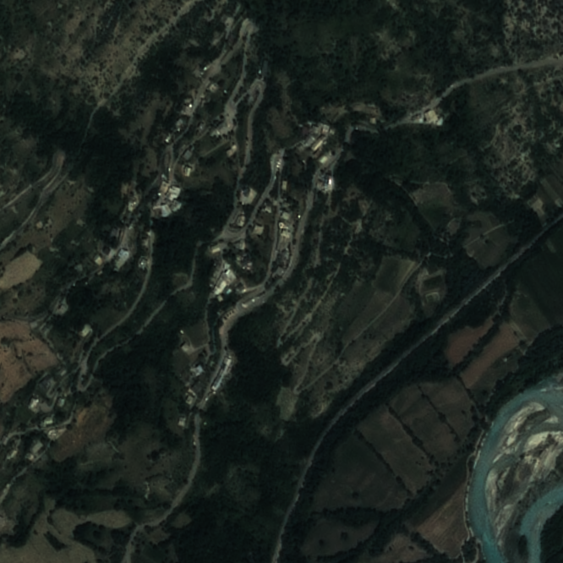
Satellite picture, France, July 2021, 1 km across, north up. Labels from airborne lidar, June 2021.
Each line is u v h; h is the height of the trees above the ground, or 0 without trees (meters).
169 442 8
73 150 17
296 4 6
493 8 8
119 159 11
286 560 17
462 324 11
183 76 7
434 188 0
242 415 10
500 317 13
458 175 12
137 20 0
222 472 8
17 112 13
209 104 8
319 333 0
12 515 0
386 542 11
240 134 0
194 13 6
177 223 20
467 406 0
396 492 0
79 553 0
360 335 0
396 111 13
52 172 0
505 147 0
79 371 7
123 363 13
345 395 12
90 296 26
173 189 0
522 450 0
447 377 15
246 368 14
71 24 0
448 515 0
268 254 0
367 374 13
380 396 13
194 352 0
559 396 0
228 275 0
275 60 9
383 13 6
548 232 12
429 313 0
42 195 0
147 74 6
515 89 0
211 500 8
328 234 11
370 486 0
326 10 10
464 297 10
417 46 8
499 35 8
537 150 8
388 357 7
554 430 0
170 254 22
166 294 7
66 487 11
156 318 10
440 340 13
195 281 7
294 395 0
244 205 8
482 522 0
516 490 0
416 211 8
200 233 9
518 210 7
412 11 11
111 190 9
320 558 12
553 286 0
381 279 0
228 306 14
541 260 0
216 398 6
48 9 0
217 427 14
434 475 11
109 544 0
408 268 0
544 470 0
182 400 13
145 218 8
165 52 8
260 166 10
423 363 9
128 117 7
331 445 20
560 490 0
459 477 0
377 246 9
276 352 6
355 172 20
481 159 10
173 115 8
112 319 0
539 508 0
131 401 18
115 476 0
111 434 7
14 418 6
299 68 7
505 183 7
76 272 10
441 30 11
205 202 9
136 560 0
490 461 0
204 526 20
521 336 0
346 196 7
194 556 17
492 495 0
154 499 6
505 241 0
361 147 23
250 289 0
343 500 0
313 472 13
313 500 15
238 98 7
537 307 0
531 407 0
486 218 0
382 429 0
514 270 12
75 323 10
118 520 0
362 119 6
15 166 7
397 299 0
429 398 6
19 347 0
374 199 9
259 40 8
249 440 11
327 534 0
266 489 7
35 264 0
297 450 16
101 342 14
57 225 0
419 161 9
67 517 0
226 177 0
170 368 7
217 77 0
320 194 11
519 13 8
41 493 6
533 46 6
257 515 12
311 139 0
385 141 8
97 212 7
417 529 0
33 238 0
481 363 0
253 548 8
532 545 0
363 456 0
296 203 11
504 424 0
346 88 6
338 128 13
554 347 5
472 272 11
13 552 0
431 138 14
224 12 7
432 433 0
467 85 7
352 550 10
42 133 8
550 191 0
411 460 0
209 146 0
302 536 22
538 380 16
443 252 7
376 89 0
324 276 9
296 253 0
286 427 6
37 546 0
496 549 0
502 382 16
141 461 0
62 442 0
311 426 9
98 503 0
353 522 9
